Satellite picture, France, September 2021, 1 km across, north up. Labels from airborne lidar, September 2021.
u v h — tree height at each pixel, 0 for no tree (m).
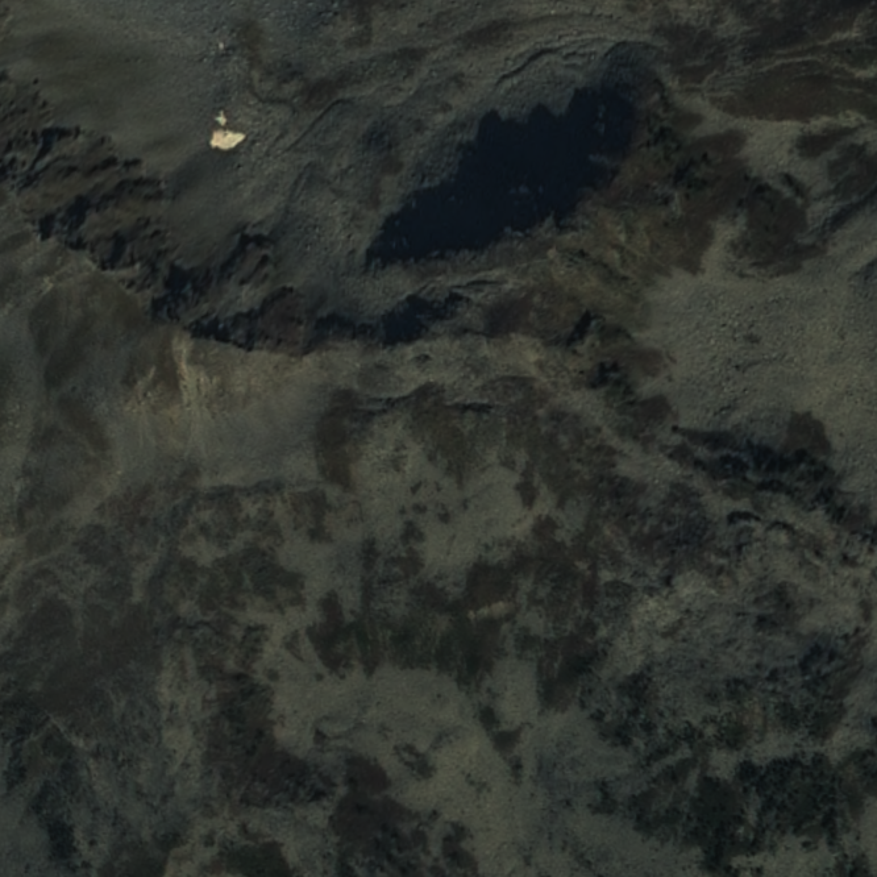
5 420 0
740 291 0
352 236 0
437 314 0
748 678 0
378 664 0
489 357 0
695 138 0
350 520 0
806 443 0
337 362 0
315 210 0
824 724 0
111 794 0
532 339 0
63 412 0
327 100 0
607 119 0
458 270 0
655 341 0
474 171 0
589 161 0
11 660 0
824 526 0
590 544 0
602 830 0
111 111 0
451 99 0
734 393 0
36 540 0
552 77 0
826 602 0
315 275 0
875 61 0
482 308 0
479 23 0
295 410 0
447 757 0
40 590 0
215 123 0
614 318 0
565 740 0
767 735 0
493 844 0
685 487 0
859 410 0
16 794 0
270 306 0
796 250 0
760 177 0
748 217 0
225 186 0
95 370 0
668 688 0
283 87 0
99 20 0
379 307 0
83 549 0
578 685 0
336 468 0
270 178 0
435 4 0
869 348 0
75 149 0
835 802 9
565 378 0
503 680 0
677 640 0
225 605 0
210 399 0
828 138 0
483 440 0
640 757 0
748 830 0
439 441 0
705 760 0
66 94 0
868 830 0
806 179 0
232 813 0
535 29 0
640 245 0
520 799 0
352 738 0
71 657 0
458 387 0
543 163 0
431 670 0
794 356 0
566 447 0
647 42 0
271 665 0
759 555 0
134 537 0
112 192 0
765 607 0
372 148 0
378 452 0
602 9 0
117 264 0
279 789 0
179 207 0
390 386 0
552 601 0
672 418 0
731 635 0
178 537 0
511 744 0
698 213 0
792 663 0
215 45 0
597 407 0
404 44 0
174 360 0
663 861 0
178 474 0
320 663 0
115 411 0
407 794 0
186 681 0
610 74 0
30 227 0
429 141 0
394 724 0
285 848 0
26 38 0
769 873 0
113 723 0
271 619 0
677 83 0
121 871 0
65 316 0
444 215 0
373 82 0
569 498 0
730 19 0
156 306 0
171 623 0
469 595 0
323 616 0
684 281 0
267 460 0
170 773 0
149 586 0
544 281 0
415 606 0
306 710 0
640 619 0
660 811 0
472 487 0
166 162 0
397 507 0
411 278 0
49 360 0
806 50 0
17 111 0
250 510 0
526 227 0
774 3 0
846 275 0
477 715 0
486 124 0
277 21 0
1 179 0
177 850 0
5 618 0
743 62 0
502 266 0
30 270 0
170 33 0
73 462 0
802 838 0
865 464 0
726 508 0
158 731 0
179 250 0
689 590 0
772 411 0
